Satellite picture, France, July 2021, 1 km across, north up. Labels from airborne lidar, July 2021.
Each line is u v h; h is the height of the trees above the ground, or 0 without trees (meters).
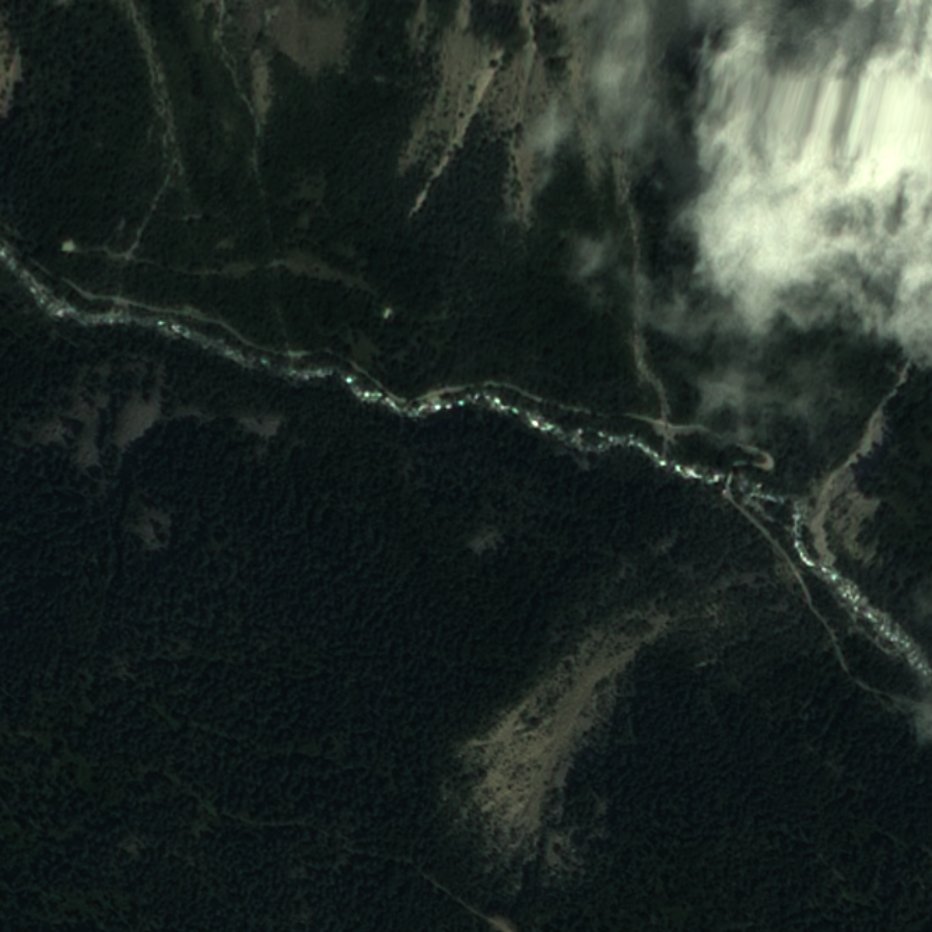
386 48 7
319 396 13
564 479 23
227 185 7
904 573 15
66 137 10
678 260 20
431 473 17
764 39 21
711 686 11
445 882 19
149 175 6
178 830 16
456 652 24
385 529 13
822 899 22
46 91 11
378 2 7
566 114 6
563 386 15
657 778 24
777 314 6
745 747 27
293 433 14
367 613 21
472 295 6
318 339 11
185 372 8
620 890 14
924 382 9
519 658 17
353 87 7
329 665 27
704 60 9
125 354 14
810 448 14
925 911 15
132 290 6
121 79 7
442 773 20
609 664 0
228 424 15
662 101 9
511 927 0
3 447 24
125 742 26
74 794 24
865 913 18
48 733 9
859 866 11
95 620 21
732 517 6
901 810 25
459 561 13
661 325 8
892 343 13
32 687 24
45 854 6
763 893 18
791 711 9
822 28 17
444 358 7
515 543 25
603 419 9
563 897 10
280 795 12
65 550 20
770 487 8
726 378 10
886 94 9
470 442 24
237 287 7
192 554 33
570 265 7
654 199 9
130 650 17
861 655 8
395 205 8
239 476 26
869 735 21
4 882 15
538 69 0
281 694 10
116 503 20
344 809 26
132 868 17
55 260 7
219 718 20
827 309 13
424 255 12
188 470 37
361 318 7
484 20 7
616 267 8
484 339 13
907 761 16
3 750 9
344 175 7
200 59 8
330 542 22
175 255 5
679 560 15
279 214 11
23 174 19
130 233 9
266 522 19
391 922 21
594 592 8
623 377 10
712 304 14
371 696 14
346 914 23
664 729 23
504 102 0
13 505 16
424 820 20
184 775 10
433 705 26
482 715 18
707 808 22
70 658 19
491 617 11
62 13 8
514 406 11
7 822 14
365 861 24
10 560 26
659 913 7
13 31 12
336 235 10
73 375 9
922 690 17
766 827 27
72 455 9
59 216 10
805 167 6
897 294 6
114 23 6
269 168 7
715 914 8
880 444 0
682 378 13
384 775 12
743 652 12
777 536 13
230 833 11
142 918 27
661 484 12
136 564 23
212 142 7
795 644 9
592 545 20
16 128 13
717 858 11
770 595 8
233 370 11
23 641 24
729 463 18
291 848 19
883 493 9
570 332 9
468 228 7
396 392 16
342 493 18
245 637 12
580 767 7
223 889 20
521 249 6
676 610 7
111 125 6
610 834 7
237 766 10
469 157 9
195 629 22
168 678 20
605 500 21
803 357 15
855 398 8
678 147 8
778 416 17
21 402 13
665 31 6
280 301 7
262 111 0
